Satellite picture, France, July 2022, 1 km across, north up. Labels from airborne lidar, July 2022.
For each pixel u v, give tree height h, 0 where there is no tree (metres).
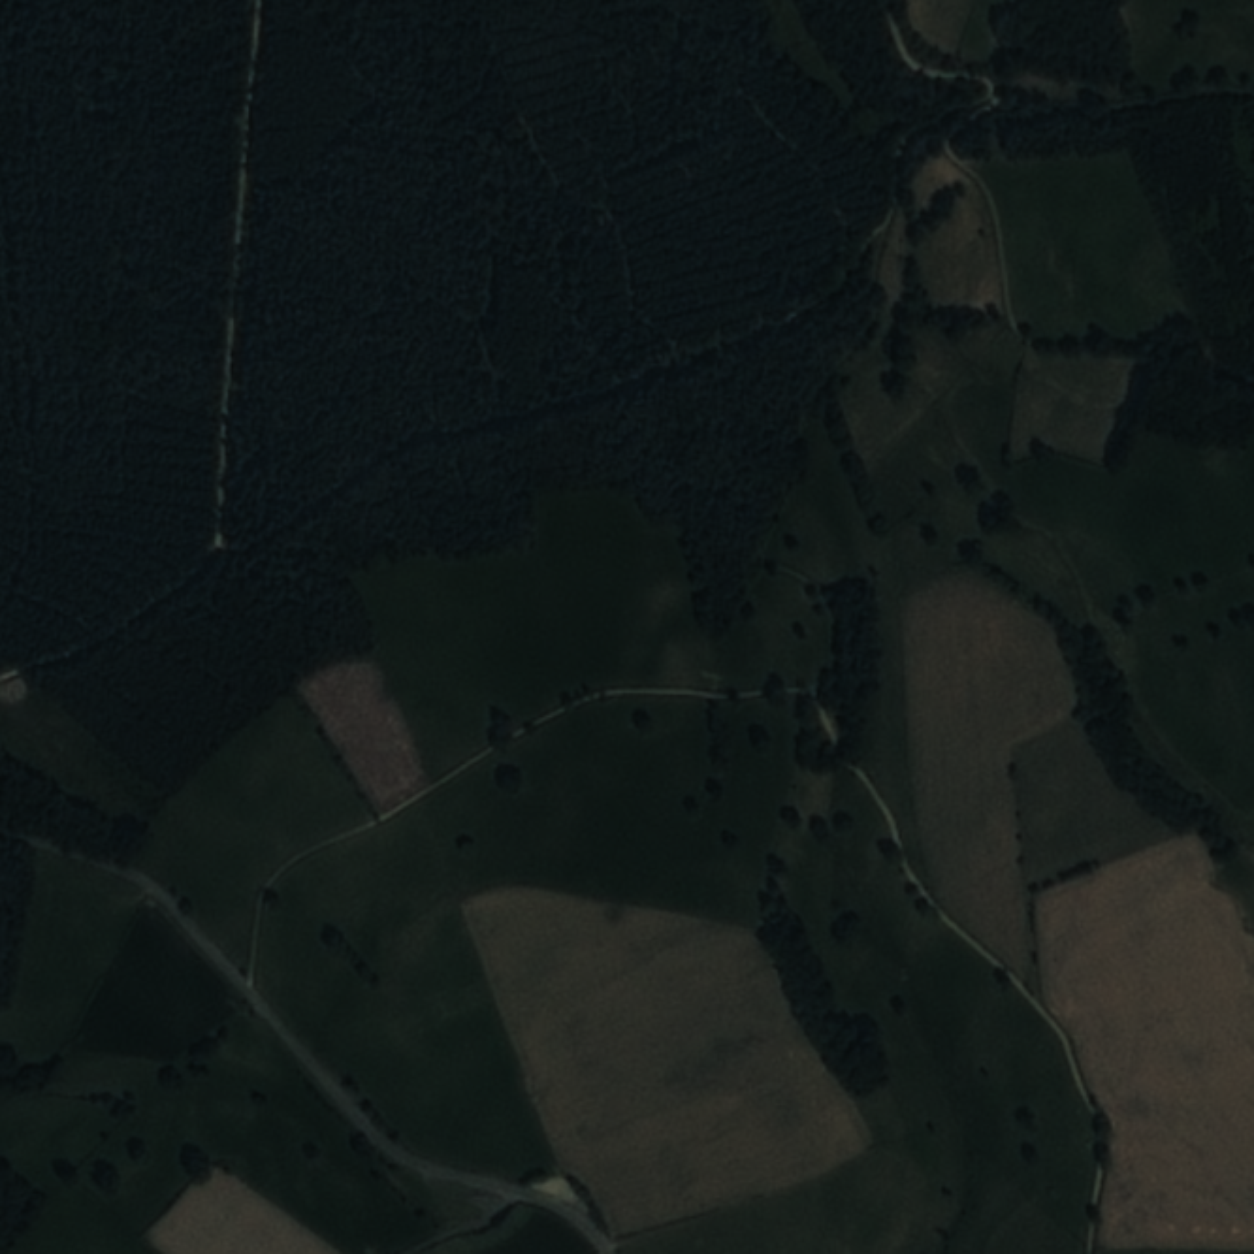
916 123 15
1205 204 5
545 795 0
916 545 0
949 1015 0
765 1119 0
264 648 13
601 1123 0
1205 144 8
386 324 27
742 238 18
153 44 22
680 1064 0
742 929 0
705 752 0
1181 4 0
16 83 27
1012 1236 0
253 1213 0
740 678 0
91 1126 0
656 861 0
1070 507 0
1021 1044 0
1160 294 0
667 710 0
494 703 0
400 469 15
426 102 24
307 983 0
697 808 17
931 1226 0
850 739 14
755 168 17
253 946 0
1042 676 0
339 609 23
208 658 16
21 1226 16
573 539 0
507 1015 0
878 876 0
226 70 21
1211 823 13
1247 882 0
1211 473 0
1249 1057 0
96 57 19
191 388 23
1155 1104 0
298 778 0
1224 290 6
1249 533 0
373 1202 0
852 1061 26
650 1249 0
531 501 21
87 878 0
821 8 16
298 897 0
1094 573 0
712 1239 0
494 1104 0
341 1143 0
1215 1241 0
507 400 20
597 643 0
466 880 0
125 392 16
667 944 0
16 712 0
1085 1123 0
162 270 22
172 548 17
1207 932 0
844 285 7
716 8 17
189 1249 0
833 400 15
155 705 16
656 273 16
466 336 29
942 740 0
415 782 0
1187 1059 0
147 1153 14
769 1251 0
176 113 24
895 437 0
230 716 15
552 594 0
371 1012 0
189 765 14
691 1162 0
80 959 0
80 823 18
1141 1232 0
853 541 0
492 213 27
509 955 0
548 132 18
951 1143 0
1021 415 0
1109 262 0
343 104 17
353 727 0
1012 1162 0
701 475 21
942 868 0
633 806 0
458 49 18
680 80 32
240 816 0
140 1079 0
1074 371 0
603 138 18
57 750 0
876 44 12
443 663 0
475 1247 0
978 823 0
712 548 18
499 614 0
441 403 25
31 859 12
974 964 0
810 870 0
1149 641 0
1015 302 0
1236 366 7
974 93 8
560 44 16
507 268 21
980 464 0
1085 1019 0
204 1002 0
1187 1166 0
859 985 0
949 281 0
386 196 29
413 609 0
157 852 0
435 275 26
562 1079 0
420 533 17
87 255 24
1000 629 0
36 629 20
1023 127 17
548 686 0
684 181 14
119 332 23
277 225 18
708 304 17
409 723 0
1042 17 18
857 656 20
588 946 0
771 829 0
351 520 13
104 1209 0
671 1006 0
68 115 23
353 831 0
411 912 0
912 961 0
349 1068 0
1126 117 7
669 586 0
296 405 24
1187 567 0
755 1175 0
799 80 19
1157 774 18
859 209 19
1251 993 0
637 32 20
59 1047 0
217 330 13
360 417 27
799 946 26
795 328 16
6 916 15
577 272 17
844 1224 0
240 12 26
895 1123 0
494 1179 0
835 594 14
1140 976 0
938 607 0
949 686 0
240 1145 0
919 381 0
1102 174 0
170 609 12
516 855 0
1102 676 18
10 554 18
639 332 19
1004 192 0
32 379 6
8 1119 0
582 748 0
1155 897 0
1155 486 0
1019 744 0
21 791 15
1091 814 0
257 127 16
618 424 17
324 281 26
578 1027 0
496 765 0
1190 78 17
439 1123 0
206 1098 0
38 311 23
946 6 0
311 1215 0
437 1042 0
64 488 26
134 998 0
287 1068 0
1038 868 0
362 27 20
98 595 20
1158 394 24
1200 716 0
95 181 23
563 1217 0
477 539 22
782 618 0
